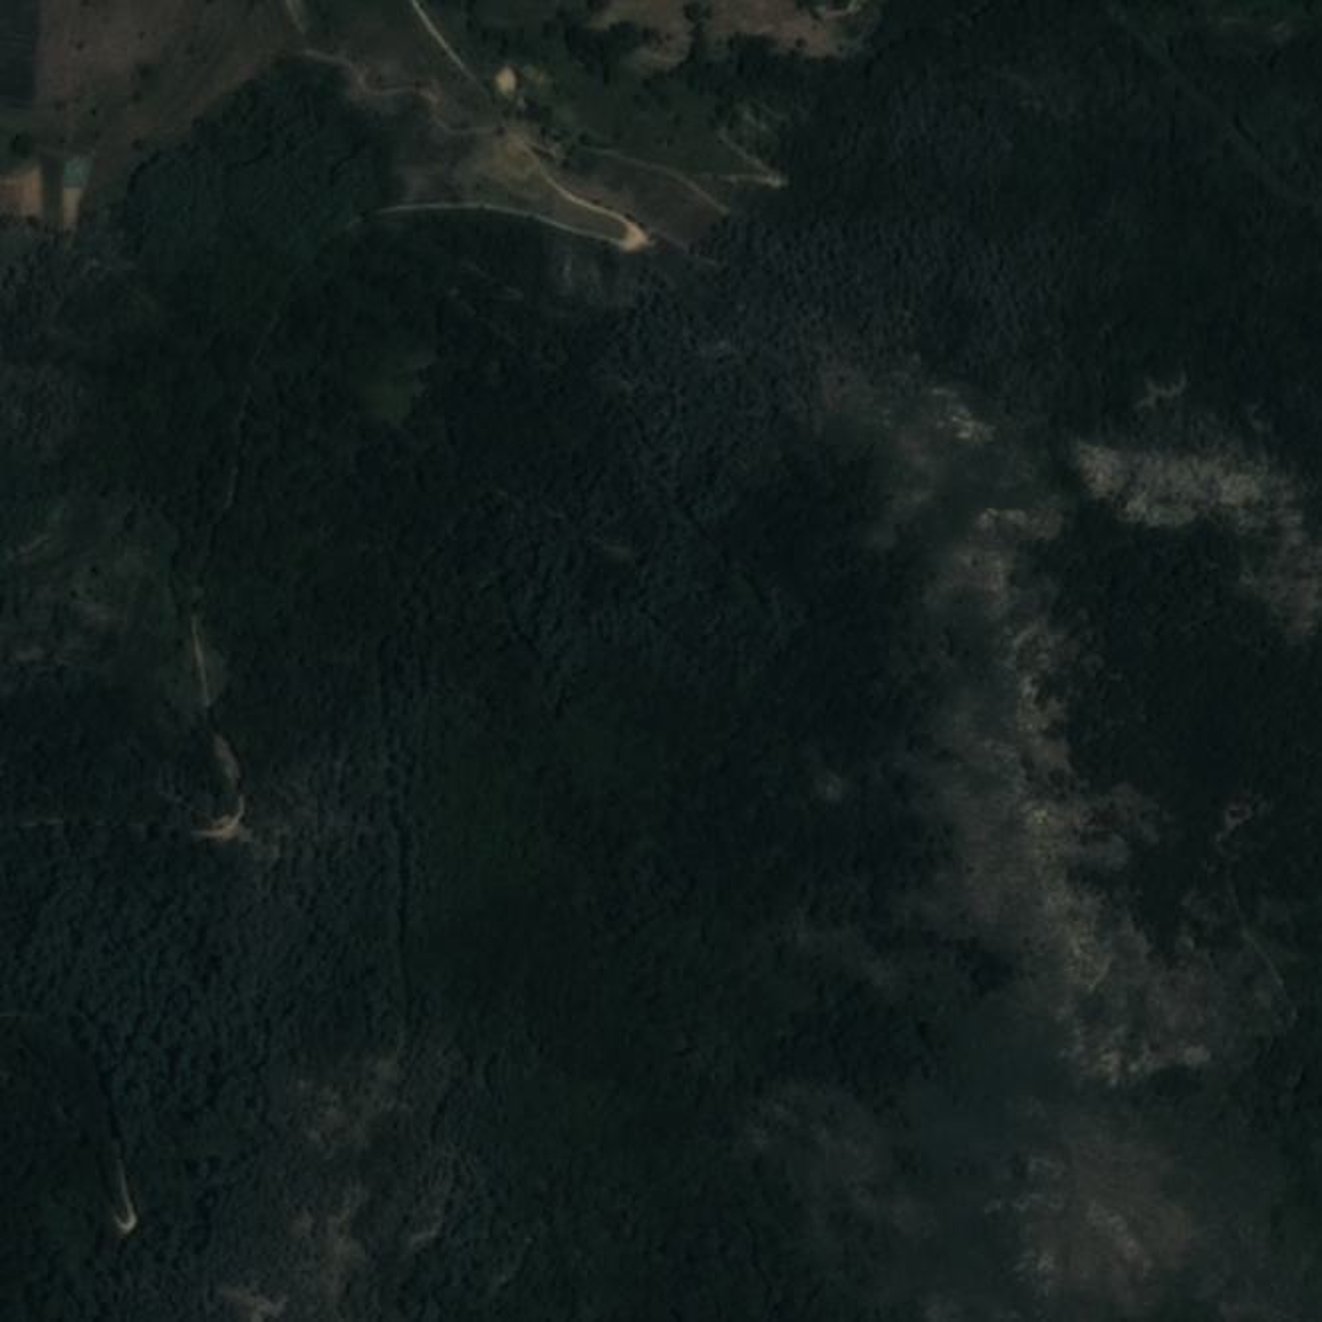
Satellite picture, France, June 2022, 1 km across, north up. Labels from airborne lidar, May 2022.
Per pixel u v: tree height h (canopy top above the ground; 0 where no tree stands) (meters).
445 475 20
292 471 17
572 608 31
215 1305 16
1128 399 18
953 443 0
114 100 0
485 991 18
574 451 20
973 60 15
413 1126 14
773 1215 10
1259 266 18
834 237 12
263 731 15
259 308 10
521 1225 31
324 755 18
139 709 20
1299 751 15
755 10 0
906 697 7
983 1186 0
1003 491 0
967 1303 0
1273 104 18
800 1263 9
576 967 23
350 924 41
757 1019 15
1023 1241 0
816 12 7
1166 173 10
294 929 30
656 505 18
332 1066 13
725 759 8
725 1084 9
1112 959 0
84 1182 18
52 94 0
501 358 18
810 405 13
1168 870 14
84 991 39
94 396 7
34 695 12
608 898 27
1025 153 13
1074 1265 0
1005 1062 0
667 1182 31
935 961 10
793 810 10
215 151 11
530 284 10
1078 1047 0
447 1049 21
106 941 37
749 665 26
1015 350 16
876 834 12
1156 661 21
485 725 31
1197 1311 0
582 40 30
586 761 20
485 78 0
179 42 0
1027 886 0
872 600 16
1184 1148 0
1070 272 15
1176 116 9
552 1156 17
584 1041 15
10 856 22
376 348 7
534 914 19
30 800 20
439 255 7
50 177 0
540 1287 23
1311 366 13
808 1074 19
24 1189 20
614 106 0
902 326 11
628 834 15
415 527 24
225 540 21
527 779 24
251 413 14
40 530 21
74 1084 20
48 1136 20
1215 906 8
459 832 22
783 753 12
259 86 7
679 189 0
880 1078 16
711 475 14
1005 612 0
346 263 8
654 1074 19
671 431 21
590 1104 19
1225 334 23
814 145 10
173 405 12
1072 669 6
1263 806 13
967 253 18
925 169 15
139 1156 12
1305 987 11
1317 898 11
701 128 0
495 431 21
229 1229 33
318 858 16
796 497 12
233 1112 31
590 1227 13
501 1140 22
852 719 18
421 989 19
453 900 25
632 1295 16
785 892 15
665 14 0
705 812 14
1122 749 17
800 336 8
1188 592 27
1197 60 18
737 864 18
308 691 20
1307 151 10
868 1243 7
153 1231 12
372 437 19
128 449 8
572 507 21
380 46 0
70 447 9
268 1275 12
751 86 9
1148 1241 0
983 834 0
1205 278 25
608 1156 15
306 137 28
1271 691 20
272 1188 12
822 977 9
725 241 12
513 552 25
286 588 7
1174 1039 0
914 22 7
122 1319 8
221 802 18
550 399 19
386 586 24
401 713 31
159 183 27
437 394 13
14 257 0
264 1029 16
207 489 22
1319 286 17
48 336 10
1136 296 21
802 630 19
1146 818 8
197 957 20
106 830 7
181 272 9
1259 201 10
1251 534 9
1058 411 11
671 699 22
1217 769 24
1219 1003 0
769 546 13
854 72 8
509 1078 33
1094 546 15
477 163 0
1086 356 11
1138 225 19
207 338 10
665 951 16
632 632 34
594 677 22
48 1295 15
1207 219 17
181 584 10
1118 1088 0
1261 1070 14
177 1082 32
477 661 24
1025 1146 0
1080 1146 0
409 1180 14
